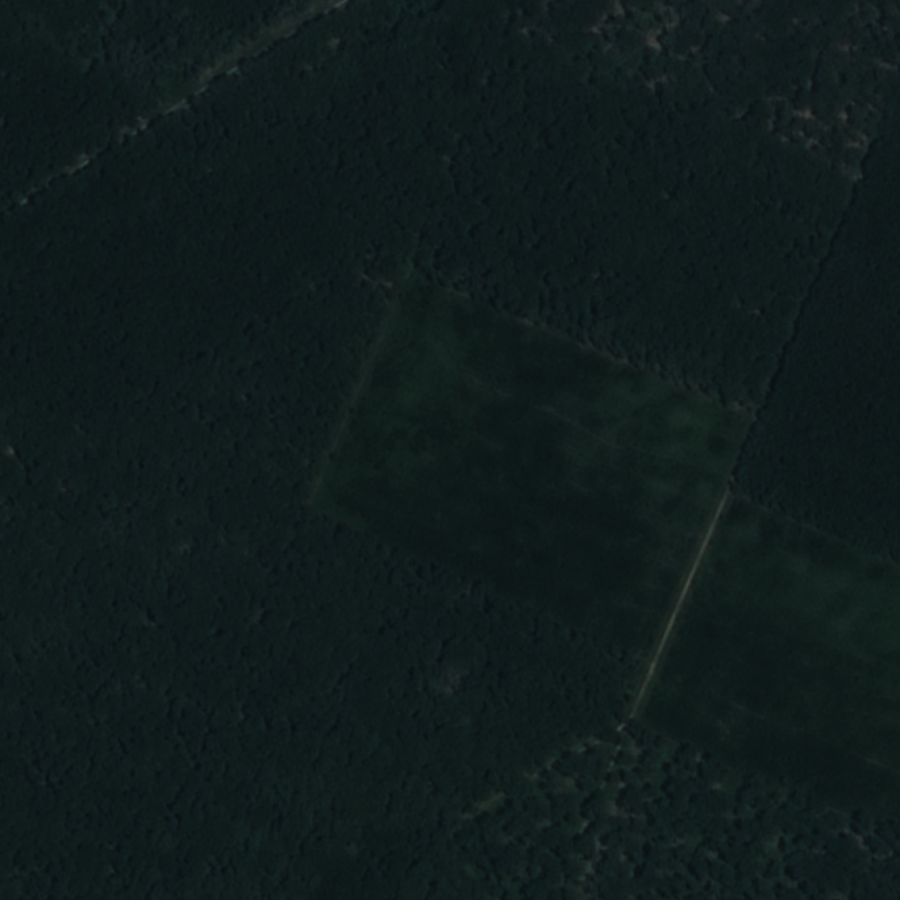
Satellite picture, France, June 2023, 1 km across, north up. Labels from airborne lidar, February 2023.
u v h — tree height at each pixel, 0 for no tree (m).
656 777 26
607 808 30
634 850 32
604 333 33
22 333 23
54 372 26
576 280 32
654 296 28
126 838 29
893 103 26
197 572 29
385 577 31
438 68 22
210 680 27
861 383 22
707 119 31
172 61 21
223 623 28
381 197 30
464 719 27
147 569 31
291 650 28
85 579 30
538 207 30
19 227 23
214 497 31
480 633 34
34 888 25
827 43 33
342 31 30
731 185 31
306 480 25
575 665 34
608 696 33
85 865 31
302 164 23
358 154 30
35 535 26
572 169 35
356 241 31
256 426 29
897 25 28
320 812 29
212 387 29
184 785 25
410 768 30
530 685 34
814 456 26
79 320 23
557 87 32
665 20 28
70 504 27
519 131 33
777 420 23
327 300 27
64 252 24
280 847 24
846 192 27
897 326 23
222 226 22
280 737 26
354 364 29
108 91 26
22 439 23
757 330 24
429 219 28
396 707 30
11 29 8
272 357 30
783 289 29
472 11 29
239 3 9
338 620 33
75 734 28
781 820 33
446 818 27
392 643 31
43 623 26
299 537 24
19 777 28
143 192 21
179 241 21
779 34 30
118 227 19
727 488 0
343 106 31
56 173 22
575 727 32
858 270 20
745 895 31
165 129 26
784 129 28
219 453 30
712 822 31
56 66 26
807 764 6
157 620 28
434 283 27
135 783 29
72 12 6
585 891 30
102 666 31
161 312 22
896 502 21
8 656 34
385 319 25
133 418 27
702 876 34
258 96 28
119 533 27
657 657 0
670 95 30
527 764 32
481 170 30
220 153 27
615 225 27
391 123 32
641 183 30
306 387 31
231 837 30
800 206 26
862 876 25
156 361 25
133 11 9
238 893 29
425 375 0
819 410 21
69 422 26
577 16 34
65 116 20
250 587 31
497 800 0
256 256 23
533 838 31
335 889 25
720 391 29
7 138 17
